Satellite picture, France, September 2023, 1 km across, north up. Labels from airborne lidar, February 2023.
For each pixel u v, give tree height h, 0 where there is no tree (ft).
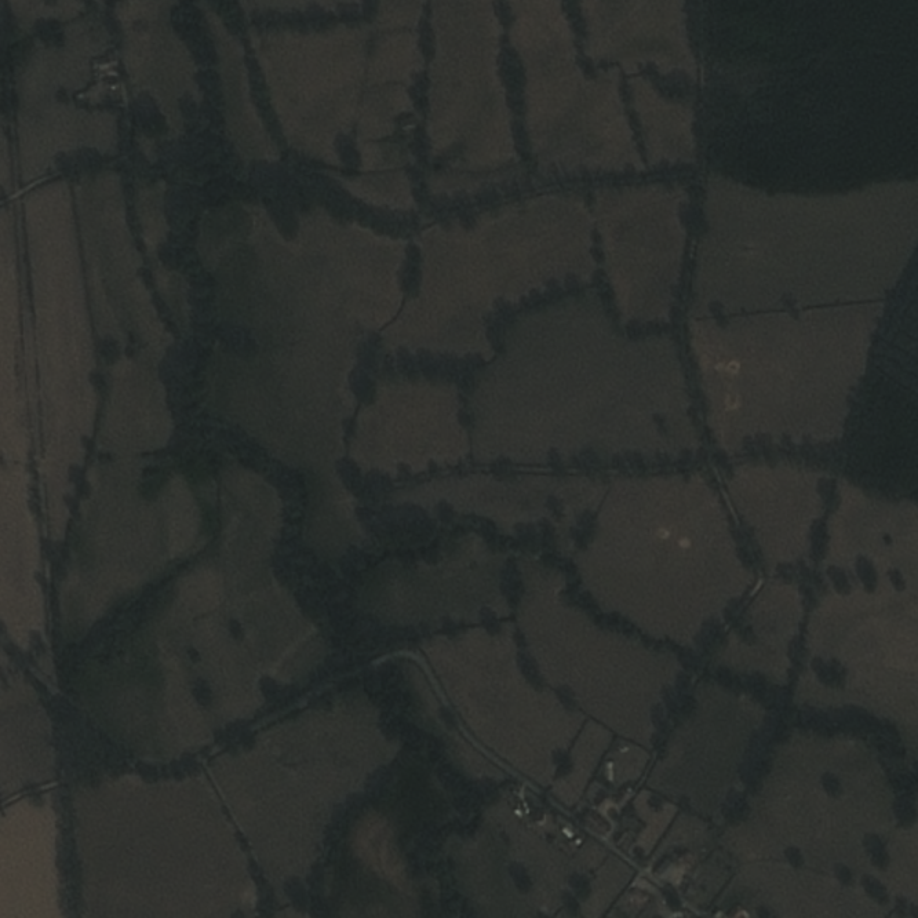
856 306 0
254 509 0
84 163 65
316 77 0
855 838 0
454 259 0
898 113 46
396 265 0
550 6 0
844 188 38
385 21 0
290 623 0
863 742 79
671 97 53
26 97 0
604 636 0
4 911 0
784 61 27
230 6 70
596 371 0
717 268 0
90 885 0
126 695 0
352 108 0
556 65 0
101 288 0
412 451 0
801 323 0
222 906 0
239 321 0
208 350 63
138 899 0
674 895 52
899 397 38
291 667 0
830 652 0
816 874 0
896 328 46
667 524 0
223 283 0
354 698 0
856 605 0
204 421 37
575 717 0
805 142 38
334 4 0
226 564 0
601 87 0
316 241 0
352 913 0
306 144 0
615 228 0
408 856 19
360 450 0
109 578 0
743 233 0
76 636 0
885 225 0
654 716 0
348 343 0
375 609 0
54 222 0
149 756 0
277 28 54
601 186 54
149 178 61
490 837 0
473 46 0
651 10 0
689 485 0
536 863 0
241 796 0
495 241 0
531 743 0
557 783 0
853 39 39
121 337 0
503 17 52
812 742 0
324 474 0
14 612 0
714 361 0
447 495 0
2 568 0
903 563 0
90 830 0
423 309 0
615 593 0
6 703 0
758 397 0
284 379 0
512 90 76
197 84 39
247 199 51
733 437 0
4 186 0
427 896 0
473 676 0
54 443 0
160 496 0
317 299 0
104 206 0
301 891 70
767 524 0
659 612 0
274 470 18
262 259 0
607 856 0
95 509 0
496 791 43
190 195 78
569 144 0
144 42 0
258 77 39
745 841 0
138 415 0
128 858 0
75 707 66
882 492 52
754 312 0
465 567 0
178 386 76
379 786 65
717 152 43
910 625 0
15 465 0
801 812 0
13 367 0
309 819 0
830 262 0
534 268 0
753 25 21
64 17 0
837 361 0
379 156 0
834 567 0
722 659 0
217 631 0
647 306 0
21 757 0
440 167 17
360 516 53
